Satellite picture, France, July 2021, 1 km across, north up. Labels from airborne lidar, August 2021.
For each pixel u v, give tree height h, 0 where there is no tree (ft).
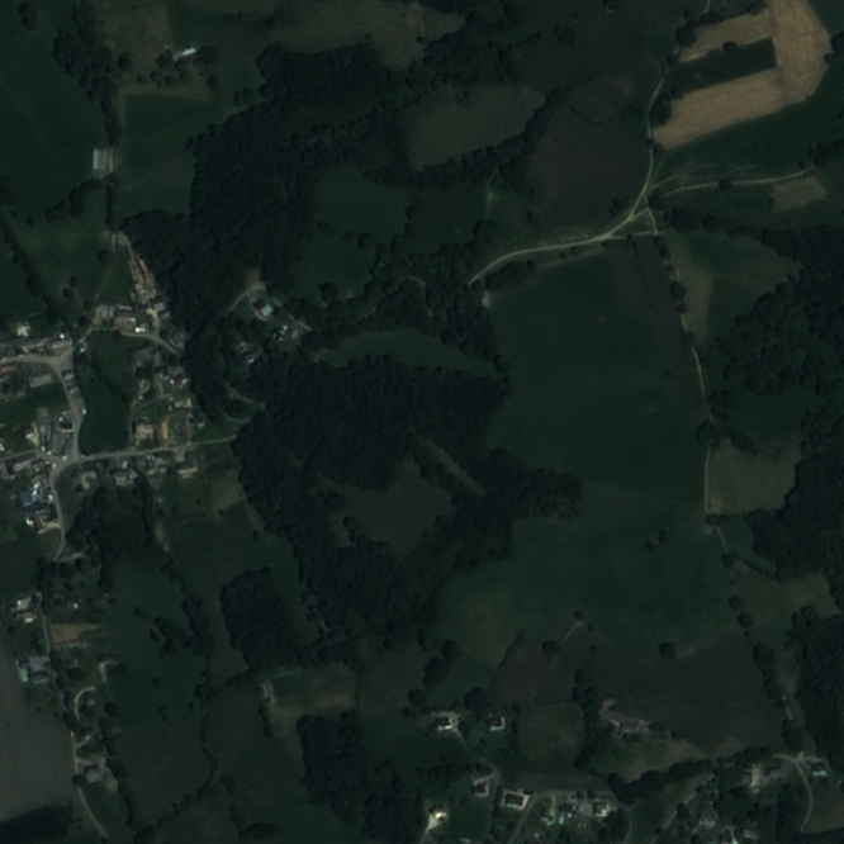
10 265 0
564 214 0
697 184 0
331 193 0
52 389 0
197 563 0
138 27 0
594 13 0
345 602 70
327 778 63
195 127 0
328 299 53
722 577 0
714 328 0
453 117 0
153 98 0
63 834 34
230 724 0
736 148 0
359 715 20
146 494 29
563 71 0
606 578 0
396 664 0
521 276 72
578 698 51
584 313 0
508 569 0
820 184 0
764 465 0
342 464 75
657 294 0
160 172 0
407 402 80
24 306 0
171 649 61
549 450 0
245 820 47
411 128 0
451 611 0
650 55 0
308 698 0
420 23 0
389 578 76
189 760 0
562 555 0
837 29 0
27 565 0
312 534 93
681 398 0
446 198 0
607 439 0
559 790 0
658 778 79
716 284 0
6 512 0
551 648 48
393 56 0
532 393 0
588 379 0
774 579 41
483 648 0
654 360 0
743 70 0
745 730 0
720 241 0
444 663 63
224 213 80
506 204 0
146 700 0
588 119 18
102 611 19
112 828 0
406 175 30
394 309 47
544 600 0
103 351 0
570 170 0
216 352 68
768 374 33
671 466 0
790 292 99
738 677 0
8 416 0
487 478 37
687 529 0
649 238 0
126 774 76
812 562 59
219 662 0
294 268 95
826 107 0
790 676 0
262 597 83
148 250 78
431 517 0
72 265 0
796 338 69
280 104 79
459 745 0
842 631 68
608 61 0
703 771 57
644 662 0
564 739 0
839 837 56
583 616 43
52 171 0
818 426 51
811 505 75
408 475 0
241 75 0
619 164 0
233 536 0
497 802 23
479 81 53
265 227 77
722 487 0
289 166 39
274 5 0
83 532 64
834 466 90
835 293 89
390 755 0
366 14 0
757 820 46
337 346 76
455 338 72
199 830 0
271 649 58
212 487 0
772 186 0
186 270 81
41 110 0
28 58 0
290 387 77
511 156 49
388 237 0
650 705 0
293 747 0
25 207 0
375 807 56
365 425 79
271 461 83
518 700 0
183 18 0
